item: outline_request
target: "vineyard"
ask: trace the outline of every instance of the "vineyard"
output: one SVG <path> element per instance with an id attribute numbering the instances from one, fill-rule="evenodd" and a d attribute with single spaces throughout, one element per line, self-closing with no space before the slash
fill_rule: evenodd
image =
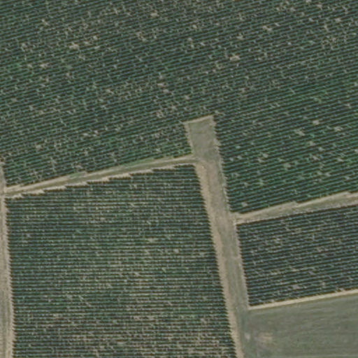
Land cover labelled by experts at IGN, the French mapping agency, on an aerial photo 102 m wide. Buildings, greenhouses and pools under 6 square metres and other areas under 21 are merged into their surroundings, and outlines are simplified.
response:
<path id="1" fill-rule="evenodd" d="M 238 225 L 243 268 L 249 302 L 253 305 L 252 310 L 358 294 L 358 204 L 310 213 L 281 215 L 271 220 Z"/>
<path id="2" fill-rule="evenodd" d="M 291 201 L 303 203 L 336 193 L 358 193 L 358 0 L 0 0 L 0 161 L 4 164 L 7 186 L 14 186 L 32 185 L 71 173 L 103 171 L 143 159 L 183 157 L 190 154 L 185 130 L 186 120 L 213 116 L 215 133 L 220 141 L 221 157 L 224 161 L 224 173 L 227 176 L 227 193 L 232 213 L 252 213 Z"/>
<path id="3" fill-rule="evenodd" d="M 199 176 L 193 165 L 183 165 L 173 169 L 157 169 L 150 173 L 136 173 L 129 178 L 110 179 L 108 182 L 91 182 L 84 186 L 48 190 L 41 194 L 25 194 L 20 199 L 6 199 L 8 252 L 14 303 L 13 358 L 236 358 L 218 273 L 217 256 L 211 238 L 210 221 L 201 196 Z"/>

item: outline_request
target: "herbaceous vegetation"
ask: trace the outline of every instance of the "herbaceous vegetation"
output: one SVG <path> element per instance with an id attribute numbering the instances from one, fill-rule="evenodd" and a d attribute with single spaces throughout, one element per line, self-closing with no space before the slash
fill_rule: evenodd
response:
<path id="1" fill-rule="evenodd" d="M 201 196 L 210 221 L 211 238 L 217 256 L 218 273 L 236 358 L 358 358 L 358 294 L 252 310 L 253 305 L 249 302 L 243 268 L 238 225 L 271 220 L 281 215 L 310 213 L 358 204 L 358 193 L 336 193 L 303 203 L 291 201 L 252 213 L 232 213 L 227 193 L 227 176 L 224 173 L 224 161 L 221 157 L 220 141 L 215 133 L 213 116 L 186 120 L 185 130 L 190 154 L 183 157 L 143 159 L 103 171 L 71 173 L 32 185 L 14 186 L 7 186 L 4 164 L 0 161 L 0 358 L 13 358 L 14 303 L 8 252 L 6 199 L 20 199 L 25 194 L 41 194 L 48 190 L 84 186 L 91 182 L 108 182 L 110 179 L 129 178 L 136 173 L 150 173 L 157 169 L 173 169 L 183 165 L 193 165 L 199 176 Z"/>

